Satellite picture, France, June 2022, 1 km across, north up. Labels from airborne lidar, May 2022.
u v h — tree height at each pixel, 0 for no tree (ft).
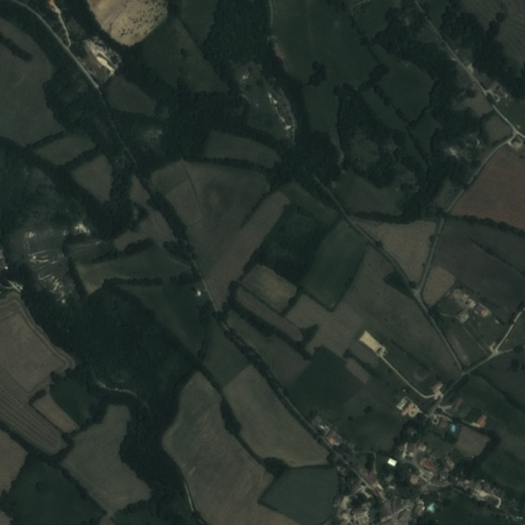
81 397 0
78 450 0
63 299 0
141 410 55
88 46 0
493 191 0
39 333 0
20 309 0
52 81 31
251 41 31
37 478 0
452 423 22
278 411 0
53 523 0
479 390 0
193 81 0
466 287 0
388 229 0
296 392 0
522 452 0
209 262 0
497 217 0
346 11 50
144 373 49
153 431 41
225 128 48
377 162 31
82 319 21
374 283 0
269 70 47
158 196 56
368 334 0
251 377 0
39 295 24
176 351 19
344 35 0
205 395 0
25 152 44
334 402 0
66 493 0
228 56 29
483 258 0
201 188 0
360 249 0
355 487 0
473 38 55
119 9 0
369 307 0
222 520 0
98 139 24
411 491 21
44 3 29
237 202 0
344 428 0
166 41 0
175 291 0
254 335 0
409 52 56
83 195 47
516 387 0
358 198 0
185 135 49
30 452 61
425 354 0
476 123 43
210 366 0
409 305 0
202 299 0
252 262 41
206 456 0
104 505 0
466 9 0
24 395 0
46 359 0
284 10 0
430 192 34
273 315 0
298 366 0
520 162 0
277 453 0
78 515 0
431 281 0
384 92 45
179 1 0
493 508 37
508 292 0
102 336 43
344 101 40
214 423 0
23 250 0
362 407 0
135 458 50
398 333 0
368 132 47
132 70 42
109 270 0
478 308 0
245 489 0
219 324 21
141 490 0
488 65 46
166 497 52
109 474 0
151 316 55
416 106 0
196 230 0
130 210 28
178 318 0
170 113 25
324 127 0
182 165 0
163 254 0
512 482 0
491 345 0
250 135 38
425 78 0
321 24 0
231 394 0
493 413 0
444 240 0
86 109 36
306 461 0
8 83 0
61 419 0
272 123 0
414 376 0
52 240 0
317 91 0
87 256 0
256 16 54
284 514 0
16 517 63
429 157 67
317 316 0
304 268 38
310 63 0
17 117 0
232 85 55
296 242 18
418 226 0
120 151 32
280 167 51
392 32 80
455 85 32
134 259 0
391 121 0
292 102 42
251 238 0
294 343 18
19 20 43
